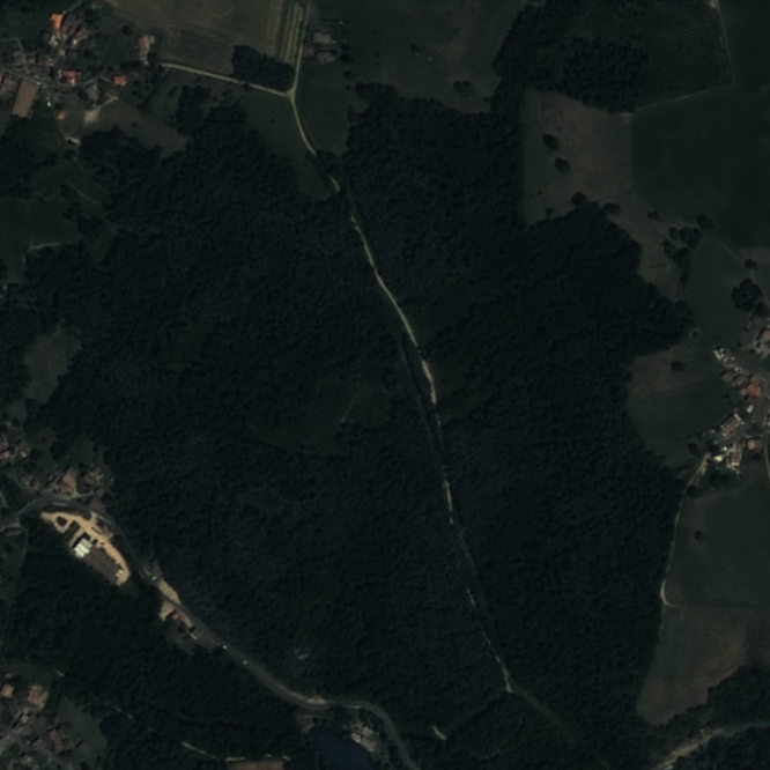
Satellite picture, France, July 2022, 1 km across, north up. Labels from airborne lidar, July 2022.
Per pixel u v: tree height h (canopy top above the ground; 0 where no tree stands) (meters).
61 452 14
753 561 0
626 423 19
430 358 16
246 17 0
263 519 24
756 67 0
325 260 23
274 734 10
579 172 0
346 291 24
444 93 0
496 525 21
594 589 20
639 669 11
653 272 0
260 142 9
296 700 0
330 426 0
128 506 6
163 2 0
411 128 9
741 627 0
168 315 30
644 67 10
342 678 21
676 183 0
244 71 21
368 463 26
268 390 27
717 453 14
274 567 18
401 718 21
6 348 20
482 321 21
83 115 0
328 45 0
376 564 24
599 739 19
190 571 9
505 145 18
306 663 11
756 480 0
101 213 0
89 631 14
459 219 23
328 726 9
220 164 10
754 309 11
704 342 0
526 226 20
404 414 19
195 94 17
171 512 17
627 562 14
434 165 10
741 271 0
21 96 0
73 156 15
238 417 25
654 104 0
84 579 16
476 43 0
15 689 8
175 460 24
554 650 28
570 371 14
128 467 17
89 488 9
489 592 17
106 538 0
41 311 21
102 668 16
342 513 24
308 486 24
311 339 7
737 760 17
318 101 0
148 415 18
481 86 0
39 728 0
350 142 12
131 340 20
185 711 18
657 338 24
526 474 22
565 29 0
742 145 0
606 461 25
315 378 22
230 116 15
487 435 26
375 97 19
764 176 0
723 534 0
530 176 0
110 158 9
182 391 27
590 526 24
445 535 22
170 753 23
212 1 0
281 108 0
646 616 16
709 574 0
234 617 16
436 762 9
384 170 16
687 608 0
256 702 10
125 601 12
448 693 24
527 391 27
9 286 13
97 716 10
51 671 21
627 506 21
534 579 28
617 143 0
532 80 23
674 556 0
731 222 0
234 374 28
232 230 17
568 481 27
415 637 25
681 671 0
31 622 21
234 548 21
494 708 20
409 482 20
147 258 21
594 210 12
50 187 0
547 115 0
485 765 13
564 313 20
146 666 12
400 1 0
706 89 7
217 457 19
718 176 0
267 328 12
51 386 0
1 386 21
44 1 7
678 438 0
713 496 0
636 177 0
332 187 11
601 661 21
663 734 8
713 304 0
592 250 22
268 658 12
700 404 0
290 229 21
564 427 16
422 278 21
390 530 21
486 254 7
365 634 23
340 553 18
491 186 23
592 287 24
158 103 0
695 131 0
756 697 19
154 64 11
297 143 0
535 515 22
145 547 9
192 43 0
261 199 24
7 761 0
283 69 21
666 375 0
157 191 13
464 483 24
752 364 0
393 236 18
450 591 21
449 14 0
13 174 21
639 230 0
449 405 5
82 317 20
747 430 0
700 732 8
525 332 13
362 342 17
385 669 19
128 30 10
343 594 23
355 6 0
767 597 0
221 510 16
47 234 0
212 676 19
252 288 20
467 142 10
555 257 14
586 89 21
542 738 10
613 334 21
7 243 0
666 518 16
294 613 17
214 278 21
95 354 21
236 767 0
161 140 0
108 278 18
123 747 18
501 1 0
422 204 6
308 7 0
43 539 21
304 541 19
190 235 23
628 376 16
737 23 0
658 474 12
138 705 30
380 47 0
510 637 18
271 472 19
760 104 0
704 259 0
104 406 21
